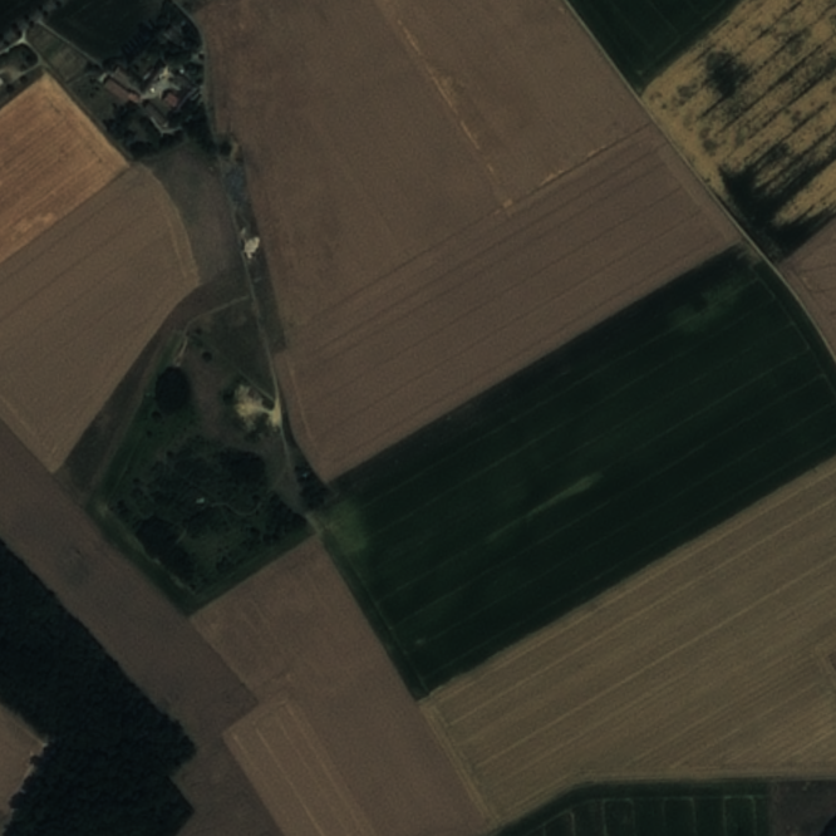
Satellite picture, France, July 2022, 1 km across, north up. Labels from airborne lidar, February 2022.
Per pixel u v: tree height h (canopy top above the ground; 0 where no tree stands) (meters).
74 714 22
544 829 0
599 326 0
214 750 0
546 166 0
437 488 0
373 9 0
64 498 0
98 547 0
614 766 0
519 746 0
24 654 26
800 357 0
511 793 0
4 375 0
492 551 0
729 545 0
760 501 0
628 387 0
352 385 0
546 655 0
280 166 0
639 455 0
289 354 0
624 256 0
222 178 0
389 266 0
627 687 0
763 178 0
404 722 0
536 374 0
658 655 0
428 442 0
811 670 0
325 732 0
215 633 0
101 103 0
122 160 0
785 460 0
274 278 0
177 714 0
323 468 0
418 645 0
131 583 0
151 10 0
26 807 23
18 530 0
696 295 0
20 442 0
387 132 0
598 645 0
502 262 0
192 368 0
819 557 0
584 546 0
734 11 0
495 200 0
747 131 0
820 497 0
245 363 0
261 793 0
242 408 0
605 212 0
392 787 0
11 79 0
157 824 22
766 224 0
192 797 0
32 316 0
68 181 0
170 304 0
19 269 0
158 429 0
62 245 0
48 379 0
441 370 0
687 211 0
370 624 0
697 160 0
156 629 0
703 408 0
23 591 20
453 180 0
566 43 0
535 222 0
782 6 0
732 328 0
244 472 12
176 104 0
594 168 0
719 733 0
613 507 0
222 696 0
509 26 0
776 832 0
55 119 0
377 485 0
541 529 0
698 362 0
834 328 0
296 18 0
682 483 0
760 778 0
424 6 0
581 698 0
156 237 0
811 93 0
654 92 0
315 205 0
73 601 0
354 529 0
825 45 0
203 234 0
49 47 0
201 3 0
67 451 0
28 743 0
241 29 0
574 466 0
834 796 0
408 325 0
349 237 0
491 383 0
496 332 0
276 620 0
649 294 0
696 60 0
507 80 0
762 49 0
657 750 0
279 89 0
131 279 0
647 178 0
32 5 0
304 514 0
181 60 12
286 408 0
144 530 13
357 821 0
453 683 0
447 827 0
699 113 0
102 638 0
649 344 0
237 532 0
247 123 0
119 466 0
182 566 13
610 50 0
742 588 0
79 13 0
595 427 0
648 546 0
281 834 0
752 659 0
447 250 0
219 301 0
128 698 20
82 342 0
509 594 0
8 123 0
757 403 0
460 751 0
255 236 0
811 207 0
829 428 0
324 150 0
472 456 0
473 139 0
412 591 0
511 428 0
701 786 0
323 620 0
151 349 0
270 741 0
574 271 0
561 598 0
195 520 9
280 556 0
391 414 0
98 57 0
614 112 0
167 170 0
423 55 0
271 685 0
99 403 0
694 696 0
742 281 0
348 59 0
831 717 0
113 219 0
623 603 0
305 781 0
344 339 0
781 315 0
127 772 23
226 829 0
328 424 0
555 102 0
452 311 0
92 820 25
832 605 0
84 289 0
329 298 0
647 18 0
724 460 0
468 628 0
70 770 23
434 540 0
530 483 0
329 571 0
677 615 0
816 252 0
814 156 0
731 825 0
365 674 0
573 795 0
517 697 0
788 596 0
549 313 0
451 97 0
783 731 0
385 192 0
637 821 0
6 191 0
